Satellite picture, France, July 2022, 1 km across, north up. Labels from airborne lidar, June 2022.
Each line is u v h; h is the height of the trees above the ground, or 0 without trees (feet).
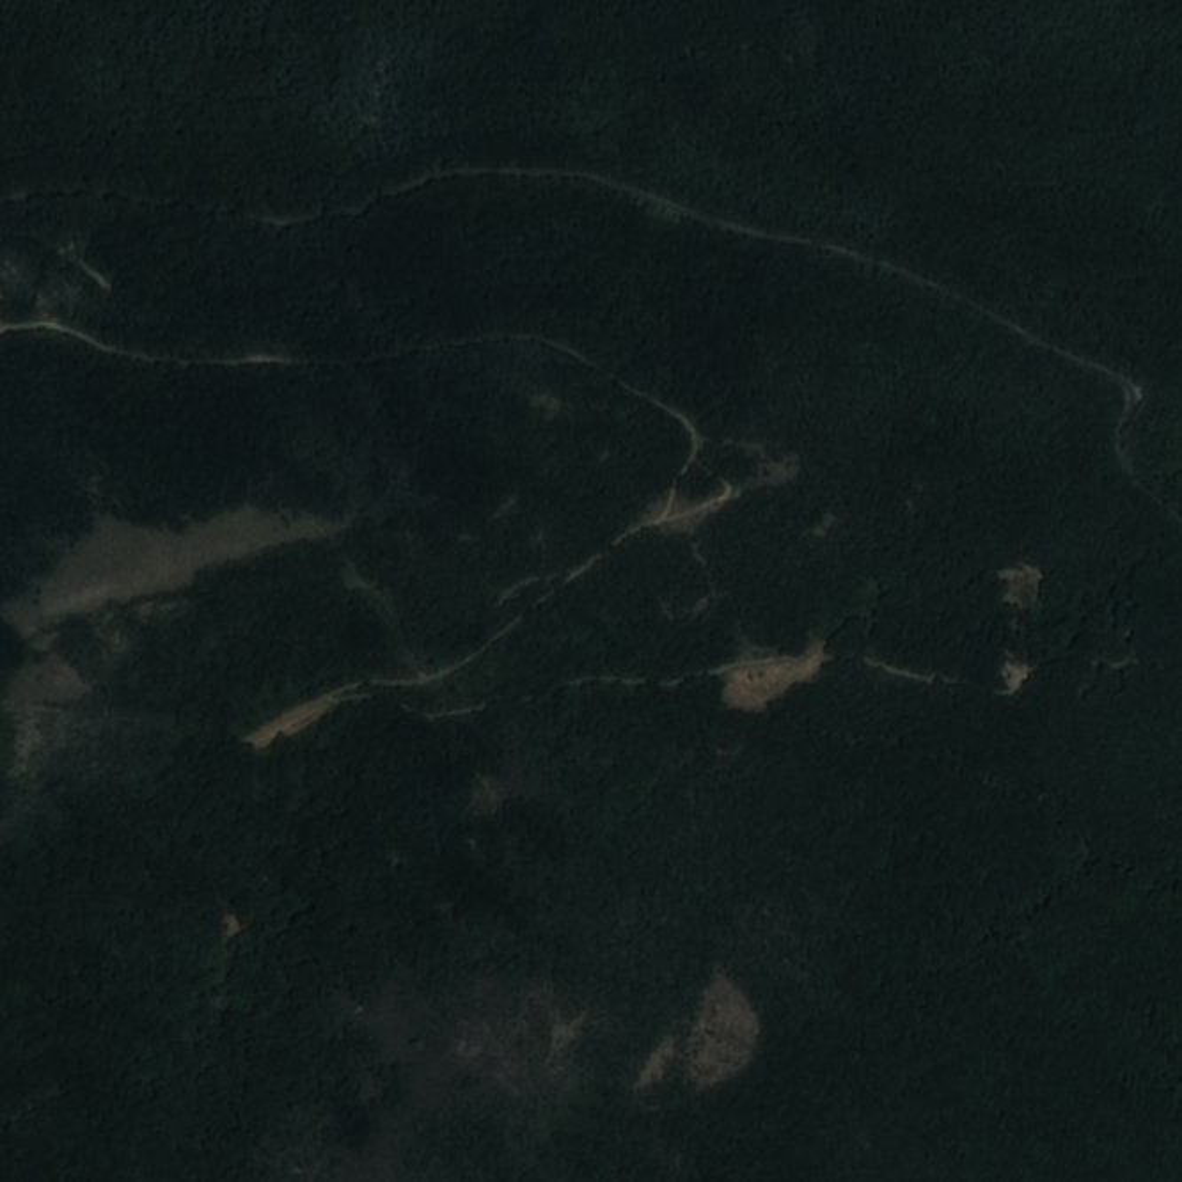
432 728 35
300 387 36
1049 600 52
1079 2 31
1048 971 52
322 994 23
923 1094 45
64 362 28
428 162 51
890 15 49
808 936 26
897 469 37
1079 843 94
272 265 55
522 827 35
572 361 25
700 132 30
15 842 25
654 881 21
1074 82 33
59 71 78
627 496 23
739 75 38
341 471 19
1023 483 54
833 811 34
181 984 33
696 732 22
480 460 31
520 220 20
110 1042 46
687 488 23
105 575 0
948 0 51
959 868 45
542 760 21
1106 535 44
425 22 34
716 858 22
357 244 46
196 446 30
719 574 29
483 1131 19
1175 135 39
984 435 43
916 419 42
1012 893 62
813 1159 23
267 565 23
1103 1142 63
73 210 54
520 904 23
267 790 20
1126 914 53
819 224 25
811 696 29
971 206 58
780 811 28
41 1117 36
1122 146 47
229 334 41
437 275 43
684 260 27
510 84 55
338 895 70
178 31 47
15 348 20
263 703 21
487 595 20
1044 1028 81
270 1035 68
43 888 34
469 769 25
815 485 31
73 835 25
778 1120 28
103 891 47
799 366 23
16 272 21
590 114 19
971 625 36
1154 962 74
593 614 36
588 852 33
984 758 47
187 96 37
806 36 67
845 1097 31
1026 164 53
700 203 31
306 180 47
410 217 54
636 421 33
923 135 37
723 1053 0
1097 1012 79
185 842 29
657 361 43
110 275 37
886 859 61
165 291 34
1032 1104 63
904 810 46
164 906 37
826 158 53
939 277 41
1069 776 41
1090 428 41
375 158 36
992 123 54
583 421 18
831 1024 29
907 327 32
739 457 19
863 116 31
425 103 25
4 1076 47
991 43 36
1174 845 53
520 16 41
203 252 42
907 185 36
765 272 38
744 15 42
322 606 30
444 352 20
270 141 47
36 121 45
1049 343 31
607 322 28
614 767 27
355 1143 21
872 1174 28
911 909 41
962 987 57
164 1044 45
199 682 28
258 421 24
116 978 36
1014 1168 45
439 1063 0
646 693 37
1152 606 56
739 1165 18
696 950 24
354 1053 18
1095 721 42
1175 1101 80
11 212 52
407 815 51
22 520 25
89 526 18
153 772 21
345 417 28
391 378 41
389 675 23
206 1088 63
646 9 50
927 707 39
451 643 22
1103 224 54
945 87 37
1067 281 47
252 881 63
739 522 26
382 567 35
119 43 37
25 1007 42
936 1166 21
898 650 33
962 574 49
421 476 31
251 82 44
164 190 64
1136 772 42
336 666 29
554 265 29
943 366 30
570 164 39
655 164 29
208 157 86
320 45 39
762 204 28
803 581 41
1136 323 53
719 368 42
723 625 33
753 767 24
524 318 26
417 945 43
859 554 40
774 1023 21
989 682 36
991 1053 61
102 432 22
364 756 44
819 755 50
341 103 38
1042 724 39
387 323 45
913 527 65
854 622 49
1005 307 19
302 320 39
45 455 21
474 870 48
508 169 40
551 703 23
